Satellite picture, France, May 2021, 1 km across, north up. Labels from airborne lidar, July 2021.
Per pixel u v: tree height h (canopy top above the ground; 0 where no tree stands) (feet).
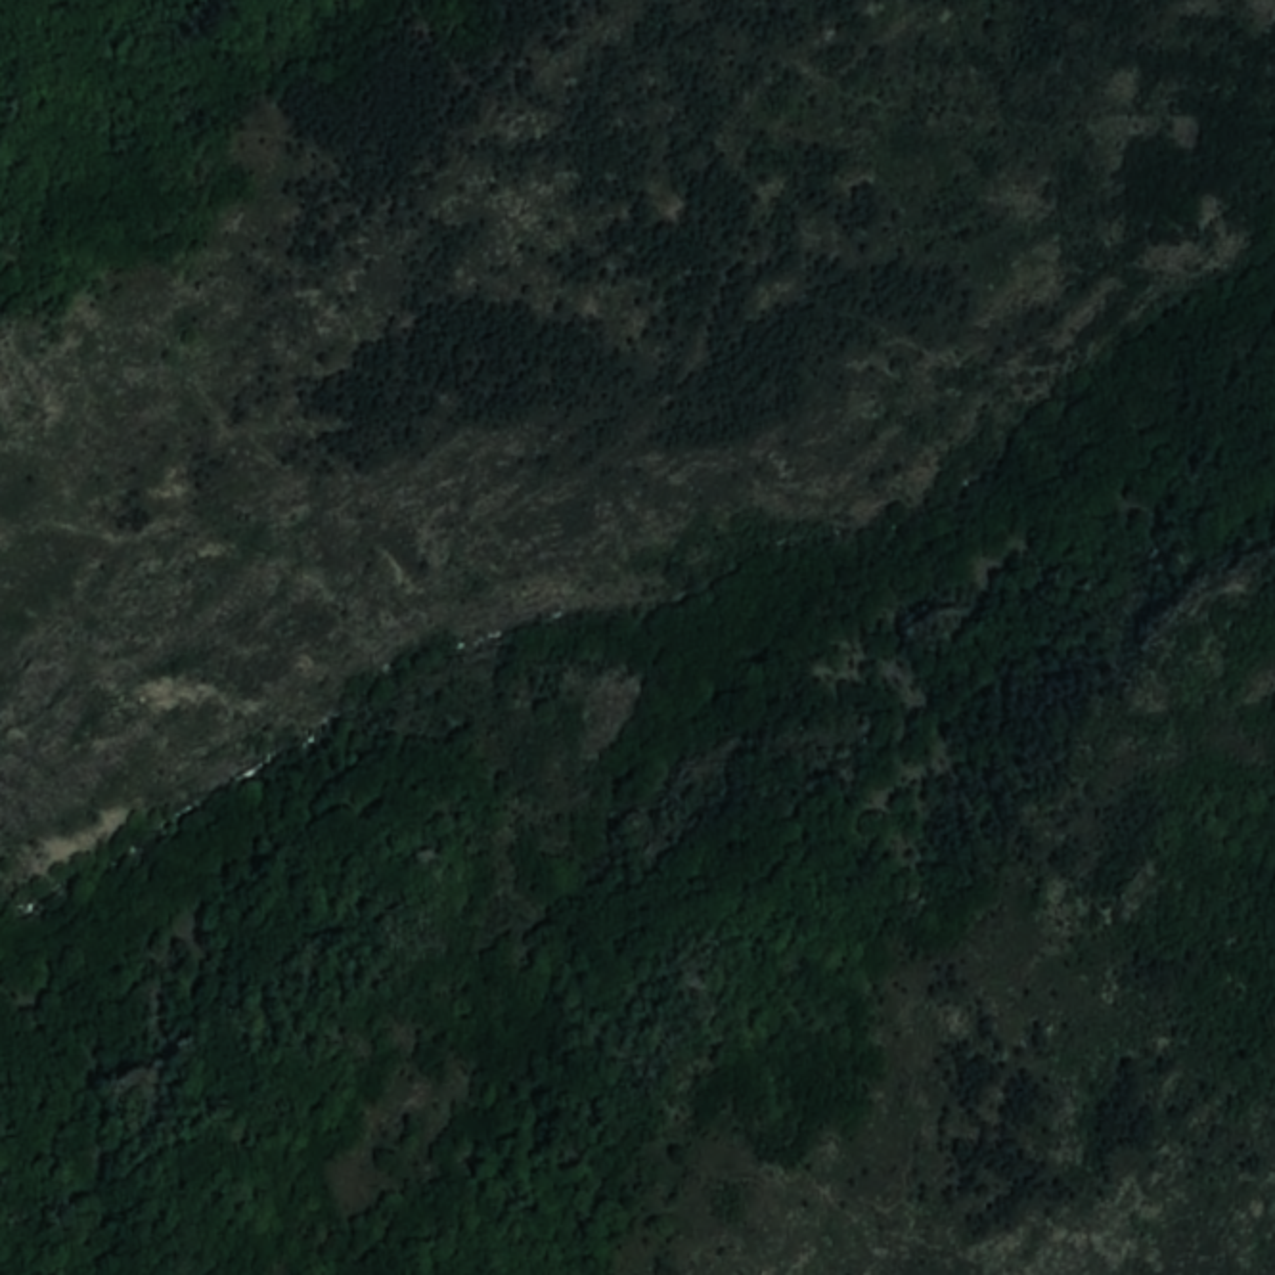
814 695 42
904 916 27
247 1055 50
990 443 23
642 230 34
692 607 66
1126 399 41
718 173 44
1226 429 58
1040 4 52
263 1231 33
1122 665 22
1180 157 35
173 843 56
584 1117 77
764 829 55
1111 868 40
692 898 58
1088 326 43
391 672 18
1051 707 57
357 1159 0
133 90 28
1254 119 29
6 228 22
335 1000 64
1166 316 37
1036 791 28
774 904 31
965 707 55
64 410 0
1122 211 22
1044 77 32
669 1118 28
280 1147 40
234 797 38
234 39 37
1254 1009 21
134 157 42
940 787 40
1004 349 39
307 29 46
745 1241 0
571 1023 38
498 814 58
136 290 0
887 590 25
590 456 37
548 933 43
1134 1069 80
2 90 52
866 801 22
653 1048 40
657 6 34
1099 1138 23
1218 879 28
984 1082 53
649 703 46
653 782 46
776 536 32
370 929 32
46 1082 45
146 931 48
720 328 43
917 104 29
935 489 29
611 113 42
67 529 0
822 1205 0
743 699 65
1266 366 58
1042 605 31
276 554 0
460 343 48
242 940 42
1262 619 32
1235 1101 44
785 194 29
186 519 0
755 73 40
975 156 25
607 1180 25
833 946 28
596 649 37
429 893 24
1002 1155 49
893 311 45
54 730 0
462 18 38
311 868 57
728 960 34
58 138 55
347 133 50
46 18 49
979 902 35
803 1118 29
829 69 20
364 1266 40
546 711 54
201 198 27
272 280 18
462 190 31
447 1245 70
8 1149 50
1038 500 75
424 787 47
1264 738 22
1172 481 54
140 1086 21
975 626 69
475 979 42
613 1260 34
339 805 34
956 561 58
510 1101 39
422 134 53
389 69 58
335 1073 28
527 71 29
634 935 50
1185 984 29
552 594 0
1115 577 41
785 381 52
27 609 0
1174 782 33
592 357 45
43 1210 33
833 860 44
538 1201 74
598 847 23
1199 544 47
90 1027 49
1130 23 30
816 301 31
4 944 47
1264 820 24
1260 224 42
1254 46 31
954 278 45
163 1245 44
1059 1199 33
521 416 29
